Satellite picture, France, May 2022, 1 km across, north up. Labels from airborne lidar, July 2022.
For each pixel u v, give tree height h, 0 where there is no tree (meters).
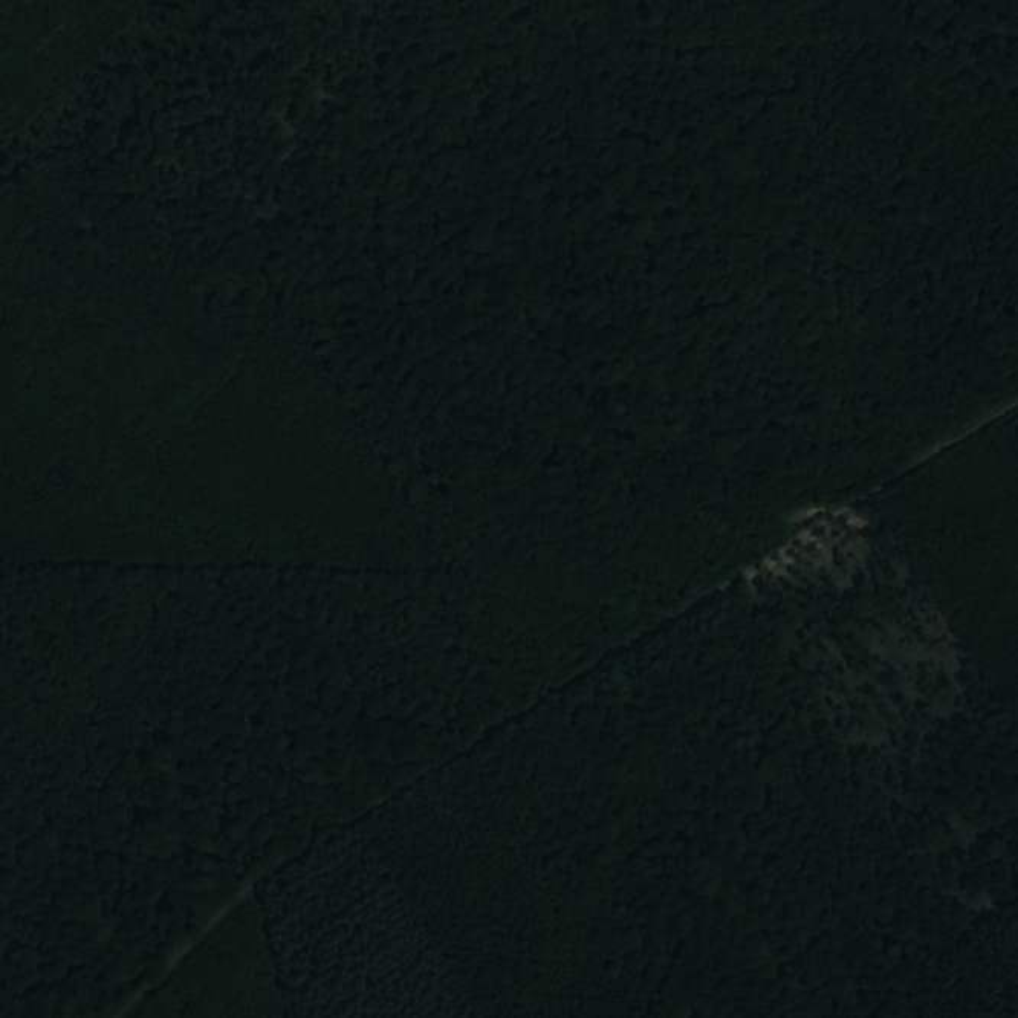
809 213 25
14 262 19
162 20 23
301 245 26
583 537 22
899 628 19
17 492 14
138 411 17
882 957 25
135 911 26
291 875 25
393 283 28
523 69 31
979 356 29
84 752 21
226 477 8
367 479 9
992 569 15
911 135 26
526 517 22
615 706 26
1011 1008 27
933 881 30
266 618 25
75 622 23
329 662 31
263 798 32
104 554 15
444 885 18
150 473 11
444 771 15
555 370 33
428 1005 31
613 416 30
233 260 29
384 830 15
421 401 25
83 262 23
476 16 22
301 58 14
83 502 15
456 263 32
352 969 29
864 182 20
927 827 25
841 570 21
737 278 25
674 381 28
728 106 29
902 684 20
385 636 25
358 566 14
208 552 12
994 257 20
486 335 33
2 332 27
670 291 31
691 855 29
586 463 24
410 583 22
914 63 28
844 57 19
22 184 22
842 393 23
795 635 0
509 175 29
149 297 19
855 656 19
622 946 24
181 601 22
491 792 15
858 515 19
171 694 28
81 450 14
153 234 26
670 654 23
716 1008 31
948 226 22
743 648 28
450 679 23
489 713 25
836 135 19
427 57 25
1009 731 30
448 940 22
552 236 29
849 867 26
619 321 29
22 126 19
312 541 14
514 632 20
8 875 33
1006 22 34
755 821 25
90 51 14
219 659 22
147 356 19
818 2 17
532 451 27
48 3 16
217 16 9
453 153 34
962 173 18
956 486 8
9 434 10
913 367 26
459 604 23
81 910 34
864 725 20
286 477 7
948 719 0
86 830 24
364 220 23
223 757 31
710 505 18
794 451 23
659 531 19
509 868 18
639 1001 27
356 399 16
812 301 20
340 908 19
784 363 27
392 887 21
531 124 29
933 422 18
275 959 24
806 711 22
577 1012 18
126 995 27
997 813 28
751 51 21
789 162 29
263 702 29
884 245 20
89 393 18
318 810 25
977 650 13
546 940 20
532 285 29
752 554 17
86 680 20
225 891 27
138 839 28
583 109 30
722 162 29
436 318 28
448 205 29
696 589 18
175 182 26
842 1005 24
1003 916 23
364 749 33
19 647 28
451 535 22
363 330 30
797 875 22
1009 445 12
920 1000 28
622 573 19
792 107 23
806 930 24
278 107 19
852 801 20
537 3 27
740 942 29
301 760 31
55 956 27
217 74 19
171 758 25
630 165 34
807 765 23
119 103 22
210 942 6
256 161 27
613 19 25
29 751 22
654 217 27
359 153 26
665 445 23
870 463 20
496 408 24
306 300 26
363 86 28
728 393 25
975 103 28
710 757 29
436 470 22
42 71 14
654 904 29
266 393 8
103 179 28
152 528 15
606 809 25
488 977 21
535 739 23
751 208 28
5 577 26
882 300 21
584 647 23
